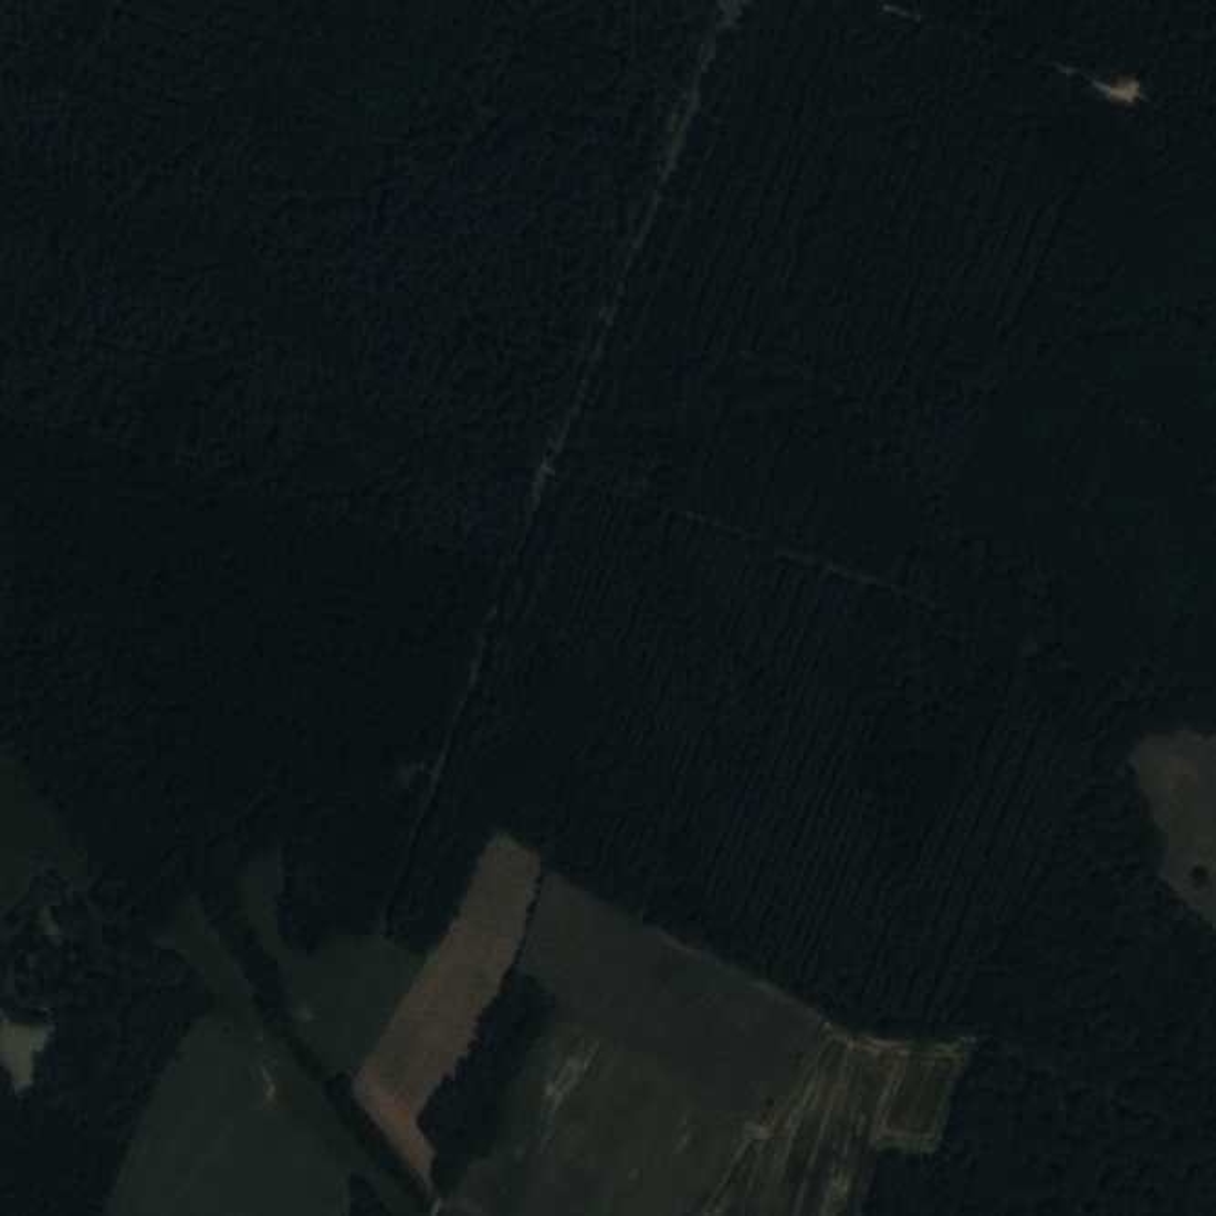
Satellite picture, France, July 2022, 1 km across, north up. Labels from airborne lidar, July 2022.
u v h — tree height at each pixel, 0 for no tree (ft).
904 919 39
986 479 49
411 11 37
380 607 80
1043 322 58
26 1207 61
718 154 46
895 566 36
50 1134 60
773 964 47
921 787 52
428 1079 0
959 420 89
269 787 53
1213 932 39
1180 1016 69
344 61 38
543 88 37
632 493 56
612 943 0
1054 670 46
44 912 0
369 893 74
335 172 34
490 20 30
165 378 52
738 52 70
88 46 49
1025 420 47
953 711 62
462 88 24
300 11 36
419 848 39
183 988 58
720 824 54
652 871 56
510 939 0
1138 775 58
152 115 42
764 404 35
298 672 73
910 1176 53
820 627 45
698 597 41
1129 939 74
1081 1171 79
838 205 85
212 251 79
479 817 74
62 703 54
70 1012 58
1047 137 59
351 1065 0
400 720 76
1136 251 61
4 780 0
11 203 82
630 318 72
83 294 55
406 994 0
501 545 86
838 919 50
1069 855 79
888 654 27
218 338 98
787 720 39
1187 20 36
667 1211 0
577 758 42
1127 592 57
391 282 84
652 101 84
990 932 46
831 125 80
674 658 33
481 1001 0
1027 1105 93
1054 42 42
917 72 44
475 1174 0
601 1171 0
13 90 100
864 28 60
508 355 61
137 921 70
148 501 71
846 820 47
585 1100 0
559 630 48
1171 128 67
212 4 41
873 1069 0
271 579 74
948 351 33
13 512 70
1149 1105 76
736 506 35
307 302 73
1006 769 42
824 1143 0
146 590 75
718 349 41
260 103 21
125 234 71
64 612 75
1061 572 62
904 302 34
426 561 72
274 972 52
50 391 66
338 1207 0
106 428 68
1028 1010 90
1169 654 54
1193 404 48
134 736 65
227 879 74
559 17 29
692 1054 0
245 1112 0
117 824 59
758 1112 0
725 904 46
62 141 68
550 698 45
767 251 38
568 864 42
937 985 44
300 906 87
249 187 81
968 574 67
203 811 68
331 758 75
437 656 76
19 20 95
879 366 24
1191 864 0
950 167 49
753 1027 0
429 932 73
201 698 67
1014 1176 93
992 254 49
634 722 43
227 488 76
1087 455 51
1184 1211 76
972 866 40
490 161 82
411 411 96
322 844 66
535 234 100
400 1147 0
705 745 34
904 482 61
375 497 49
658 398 69
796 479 33
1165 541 55
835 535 39
